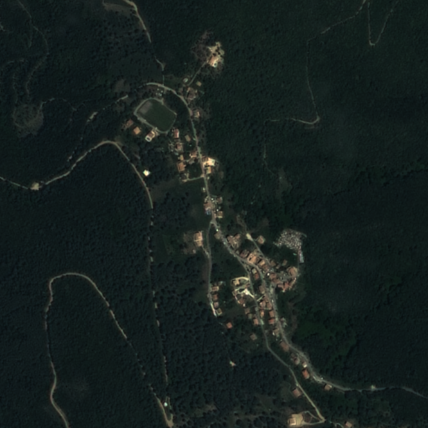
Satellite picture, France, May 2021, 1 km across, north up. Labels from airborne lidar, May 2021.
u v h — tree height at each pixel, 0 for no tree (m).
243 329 10
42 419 7
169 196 17
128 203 12
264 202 14
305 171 9
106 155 10
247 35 8
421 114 12
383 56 5
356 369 22
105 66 9
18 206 16
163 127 0
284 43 10
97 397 8
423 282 15
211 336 21
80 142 9
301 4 9
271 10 10
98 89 10
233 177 13
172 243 9
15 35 9
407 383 9
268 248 11
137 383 17
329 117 10
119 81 9
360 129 6
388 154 9
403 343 12
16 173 15
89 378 6
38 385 11
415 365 7
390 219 8
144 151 17
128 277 14
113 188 9
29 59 9
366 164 17
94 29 10
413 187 16
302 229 10
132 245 16
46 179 8
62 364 10
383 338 14
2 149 11
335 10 7
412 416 9
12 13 9
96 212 13
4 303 17
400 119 14
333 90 8
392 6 12
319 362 13
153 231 18
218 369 21
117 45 12
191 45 12
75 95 10
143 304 18
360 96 11
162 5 12
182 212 19
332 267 7
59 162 14
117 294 17
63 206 11
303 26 10
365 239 13
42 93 10
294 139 13
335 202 15
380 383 14
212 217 0
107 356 12
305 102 6
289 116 8
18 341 17
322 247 7
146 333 20
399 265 11
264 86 12
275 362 20
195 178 0
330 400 6
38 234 11
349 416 9
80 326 11
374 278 10
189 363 20
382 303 21
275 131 10
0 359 15
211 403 21
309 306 9
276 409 0
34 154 14
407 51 8
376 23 6
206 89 8
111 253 15
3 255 12
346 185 21
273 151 8
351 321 19
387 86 14
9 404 14
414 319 7
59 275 9
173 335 26
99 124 8
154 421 17
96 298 15
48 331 15
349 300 8
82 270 9
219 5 7
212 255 7
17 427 8
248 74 7
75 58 9
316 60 9
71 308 7
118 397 15
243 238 0
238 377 20
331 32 9
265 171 9
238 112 7
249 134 11
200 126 10
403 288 27
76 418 7
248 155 7
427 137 9
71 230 12
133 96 15
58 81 10
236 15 9
